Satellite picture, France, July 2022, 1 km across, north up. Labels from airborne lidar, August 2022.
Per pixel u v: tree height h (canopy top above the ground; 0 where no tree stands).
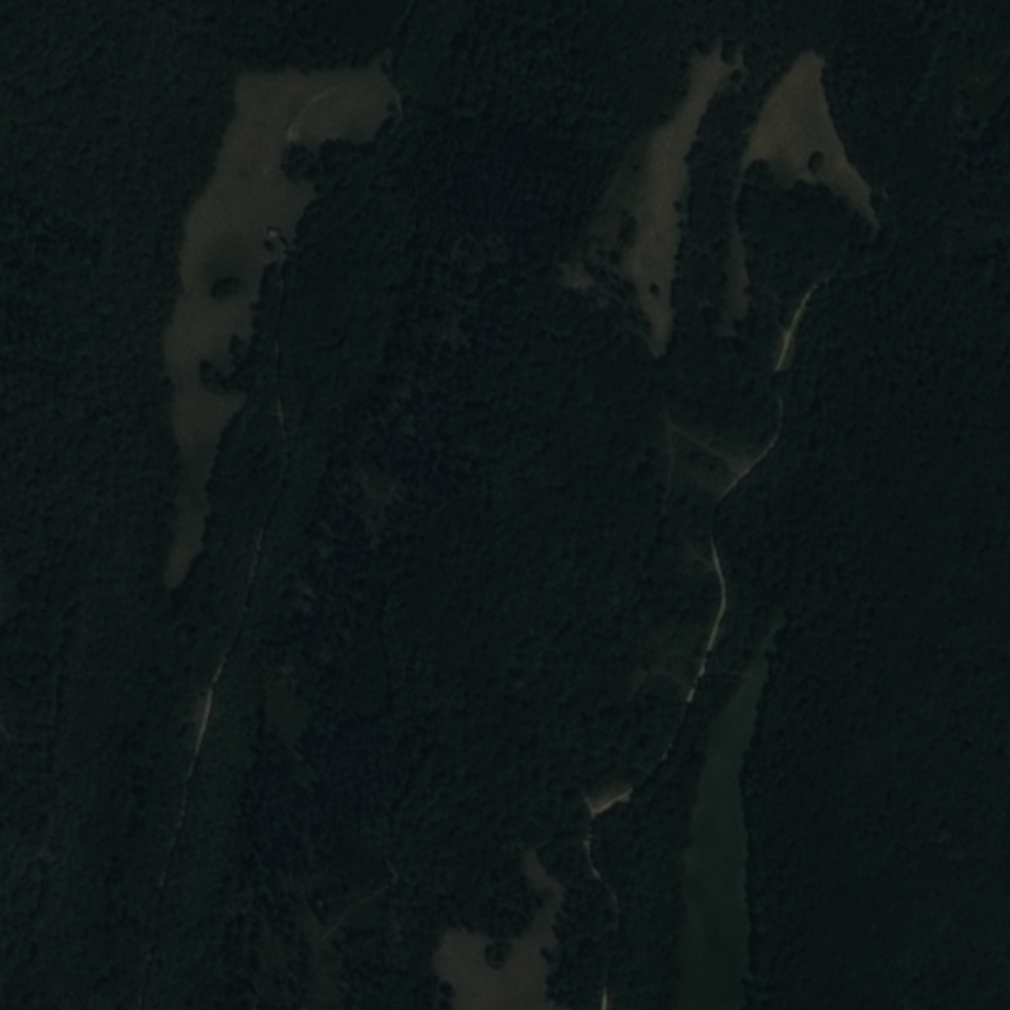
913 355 16
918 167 16
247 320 0
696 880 0
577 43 20
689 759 19
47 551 11
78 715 13
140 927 15
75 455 11
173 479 15
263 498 10
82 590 20
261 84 0
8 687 22
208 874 6
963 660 20
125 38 17
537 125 20
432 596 15
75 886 9
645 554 7
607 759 9
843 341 16
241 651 10
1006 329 14
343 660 24
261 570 6
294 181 11
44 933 22
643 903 10
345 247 13
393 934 20
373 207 9
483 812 25
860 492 17
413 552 16
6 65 17
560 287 18
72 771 7
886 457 17
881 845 24
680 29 19
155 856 12
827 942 17
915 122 11
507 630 18
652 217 0
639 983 13
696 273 15
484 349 14
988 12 16
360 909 0
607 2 17
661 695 6
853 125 17
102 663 10
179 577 0
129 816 13
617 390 20
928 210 18
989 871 18
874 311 17
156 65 14
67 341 15
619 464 17
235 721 7
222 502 13
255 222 0
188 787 7
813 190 9
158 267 17
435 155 15
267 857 6
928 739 14
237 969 10
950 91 17
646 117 15
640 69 14
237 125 0
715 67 0
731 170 12
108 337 15
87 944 13
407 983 13
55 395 18
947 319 18
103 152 11
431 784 9
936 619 18
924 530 17
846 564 17
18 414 10
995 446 16
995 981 15
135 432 14
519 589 19
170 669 11
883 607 20
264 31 22
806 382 14
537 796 14
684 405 9
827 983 19
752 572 15
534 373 18
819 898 19
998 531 21
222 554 10
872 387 19
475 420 19
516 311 17
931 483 14
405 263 19
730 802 0
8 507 10
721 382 22
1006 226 18
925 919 17
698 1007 0
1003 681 17
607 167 12
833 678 20
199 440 0
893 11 10
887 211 16
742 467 0
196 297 0
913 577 17
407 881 17
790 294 14
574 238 17
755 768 20
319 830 23
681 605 16
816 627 22
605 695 13
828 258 12
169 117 16
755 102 11
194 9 21
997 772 16
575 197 7
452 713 19
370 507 19
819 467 14
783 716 18
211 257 0
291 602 17
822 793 18
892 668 17
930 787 17
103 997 10
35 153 15
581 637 14
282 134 0
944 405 16
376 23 10
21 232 12
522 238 24
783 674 15
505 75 26
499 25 22
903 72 10
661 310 0
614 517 11
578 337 16
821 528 19
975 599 21
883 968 14
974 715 21
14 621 10
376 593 7
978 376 16
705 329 20
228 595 8
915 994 15
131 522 11
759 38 14
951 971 20
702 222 15
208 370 16
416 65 16
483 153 15
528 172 9
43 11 13
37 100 15
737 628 13
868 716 16
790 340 0
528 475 18
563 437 22
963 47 14
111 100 12
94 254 9
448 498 17
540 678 14
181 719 6
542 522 19
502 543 16
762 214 17
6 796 10
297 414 7
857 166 12
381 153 13
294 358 11
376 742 24
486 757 18
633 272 0
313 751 28
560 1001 22
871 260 12
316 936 0
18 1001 9
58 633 13
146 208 14
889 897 18
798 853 21
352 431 7
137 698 13
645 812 15
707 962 0
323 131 0
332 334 13
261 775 22
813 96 0
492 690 16
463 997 0
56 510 13
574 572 19
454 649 22
